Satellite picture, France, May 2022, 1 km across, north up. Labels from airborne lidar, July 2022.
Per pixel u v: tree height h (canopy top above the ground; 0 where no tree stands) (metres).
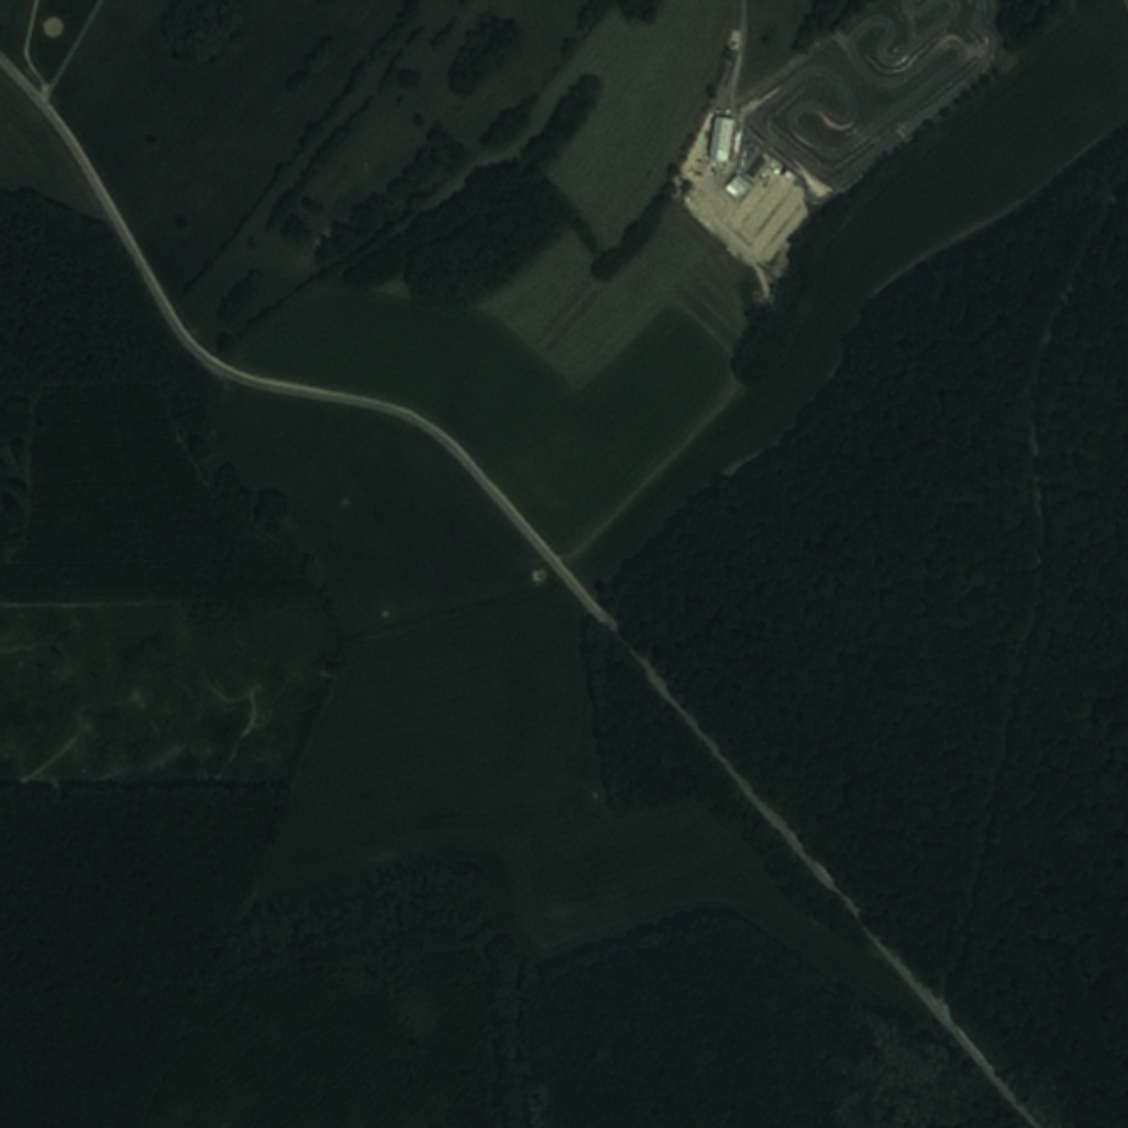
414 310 0
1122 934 30
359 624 0
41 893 19
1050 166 0
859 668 30
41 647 0
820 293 0
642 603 25
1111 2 0
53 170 0
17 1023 17
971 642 28
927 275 16
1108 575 31
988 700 28
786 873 23
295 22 0
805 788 23
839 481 27
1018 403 26
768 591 25
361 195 0
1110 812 29
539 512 0
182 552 8
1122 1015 31
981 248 18
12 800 19
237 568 16
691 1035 19
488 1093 11
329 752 0
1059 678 27
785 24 0
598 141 0
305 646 0
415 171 11
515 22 8
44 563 6
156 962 20
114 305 20
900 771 28
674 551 21
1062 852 26
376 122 0
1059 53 0
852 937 21
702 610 28
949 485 28
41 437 5
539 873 0
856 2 8
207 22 13
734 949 26
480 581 0
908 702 31
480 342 0
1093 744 26
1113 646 27
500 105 0
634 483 0
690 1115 20
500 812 0
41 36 0
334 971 6
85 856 18
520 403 0
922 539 28
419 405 0
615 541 0
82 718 0
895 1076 24
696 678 30
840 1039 29
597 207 0
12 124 0
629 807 23
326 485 0
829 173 0
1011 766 19
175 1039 10
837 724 28
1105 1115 30
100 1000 17
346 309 0
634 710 31
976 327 29
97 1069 12
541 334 0
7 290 21
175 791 17
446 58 0
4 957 21
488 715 0
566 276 0
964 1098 23
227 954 29
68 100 0
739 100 0
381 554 0
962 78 0
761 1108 19
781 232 0
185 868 21
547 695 0
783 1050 18
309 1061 7
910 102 0
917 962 30
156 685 0
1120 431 30
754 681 21
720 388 0
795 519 29
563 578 0
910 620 27
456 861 0
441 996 8
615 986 27
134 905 21
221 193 0
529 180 14
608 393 0
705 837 0
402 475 0
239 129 0
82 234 19
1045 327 15
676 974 27
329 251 17
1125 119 0
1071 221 26
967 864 24
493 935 10
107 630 0
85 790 17
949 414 29
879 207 0
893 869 30
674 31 0
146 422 7
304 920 27
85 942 20
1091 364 30
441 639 0
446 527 0
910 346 27
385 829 0
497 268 20
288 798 17
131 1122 11
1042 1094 23
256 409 0
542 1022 24
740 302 0
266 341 0
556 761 0
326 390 0
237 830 19
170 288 0
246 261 0
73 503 6
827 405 25
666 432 0
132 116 0
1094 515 28
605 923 0
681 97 0
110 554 7
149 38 0
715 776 26
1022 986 30
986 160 0
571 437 0
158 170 0
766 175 0
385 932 15
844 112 0
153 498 7
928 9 0
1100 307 29
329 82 0
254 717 0
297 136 0
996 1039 17
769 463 18
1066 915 28
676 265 0
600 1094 22
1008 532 27
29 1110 14
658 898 0
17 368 22
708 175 0
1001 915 28
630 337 0
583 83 12
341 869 0
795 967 23
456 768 0
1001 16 10
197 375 19
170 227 0
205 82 0
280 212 12
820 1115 16
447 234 14
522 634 0
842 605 23
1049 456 21
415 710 0
